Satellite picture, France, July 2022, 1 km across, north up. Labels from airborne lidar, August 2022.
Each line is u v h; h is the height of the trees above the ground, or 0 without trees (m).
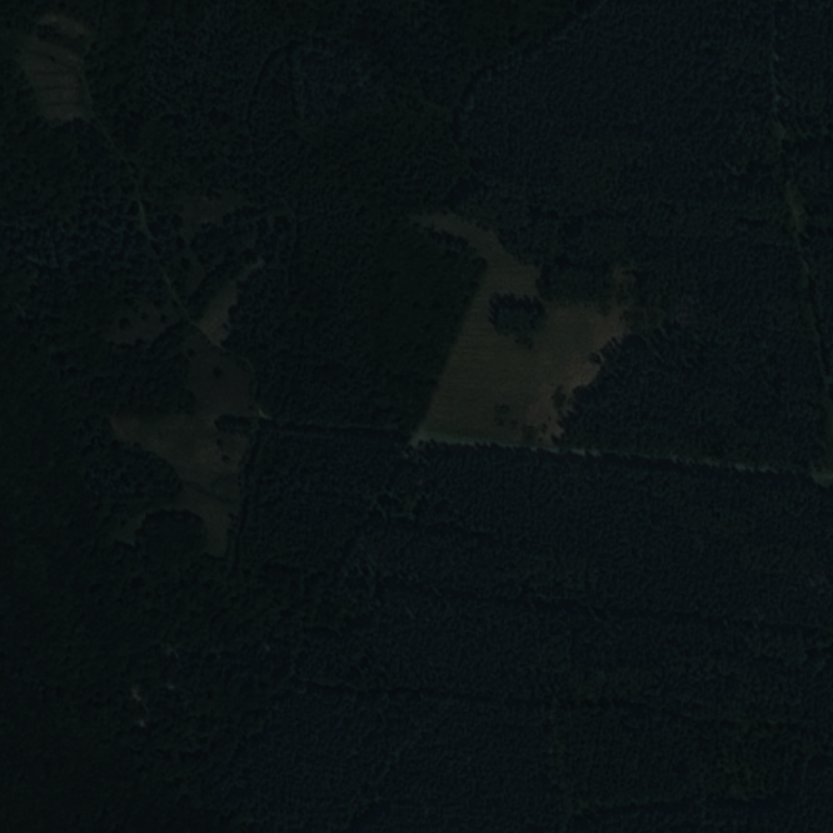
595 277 30
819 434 28
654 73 32
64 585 26
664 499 29
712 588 33
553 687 31
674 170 31
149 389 17
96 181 17
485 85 30
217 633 21
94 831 22
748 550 28
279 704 27
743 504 29
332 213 6
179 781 22
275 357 15
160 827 20
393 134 10
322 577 20
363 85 28
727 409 30
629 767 8
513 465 26
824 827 26
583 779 10
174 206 6
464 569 29
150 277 14
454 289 9
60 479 23
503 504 29
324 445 19
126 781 24
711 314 29
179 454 0
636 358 24
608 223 29
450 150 9
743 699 28
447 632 26
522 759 28
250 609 20
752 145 26
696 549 31
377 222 10
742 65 29
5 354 24
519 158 30
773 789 8
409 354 11
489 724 25
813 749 9
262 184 19
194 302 13
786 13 30
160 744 24
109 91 16
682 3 30
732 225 28
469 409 0
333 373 18
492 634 31
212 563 19
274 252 19
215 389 0
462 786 28
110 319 15
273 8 15
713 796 11
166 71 17
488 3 19
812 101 28
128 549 18
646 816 24
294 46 24
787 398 27
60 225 6
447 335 8
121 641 23
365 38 21
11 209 16
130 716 25
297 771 27
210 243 18
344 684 7
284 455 19
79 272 21
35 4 16
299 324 13
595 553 31
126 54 10
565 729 7
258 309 16
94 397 17
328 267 14
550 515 28
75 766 23
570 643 26
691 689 28
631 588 32
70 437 23
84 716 23
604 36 30
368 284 10
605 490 29
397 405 17
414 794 27
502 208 33
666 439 29
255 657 19
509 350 0
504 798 31
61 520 23
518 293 0
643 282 29
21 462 26
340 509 18
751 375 28
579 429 25
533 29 9
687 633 31
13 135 18
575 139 31
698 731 7
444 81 20
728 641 32
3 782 24
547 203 26
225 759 22
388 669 27
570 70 31
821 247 27
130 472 22
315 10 16
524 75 30
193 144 17
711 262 30
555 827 29
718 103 29
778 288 28
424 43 18
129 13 18
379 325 10
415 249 11
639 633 31
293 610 19
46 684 12
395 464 12
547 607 30
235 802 23
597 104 30
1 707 23
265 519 15
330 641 29
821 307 28
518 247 30
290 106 11
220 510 0
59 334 19
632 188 27
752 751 11
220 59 15
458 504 27
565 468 26
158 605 17
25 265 27
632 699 9
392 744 23
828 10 31
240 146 20
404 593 32
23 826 24
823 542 32
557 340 0
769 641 28
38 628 24
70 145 12
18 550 24
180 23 15
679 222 29
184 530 20
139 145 15
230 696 22
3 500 22
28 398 24
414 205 11
